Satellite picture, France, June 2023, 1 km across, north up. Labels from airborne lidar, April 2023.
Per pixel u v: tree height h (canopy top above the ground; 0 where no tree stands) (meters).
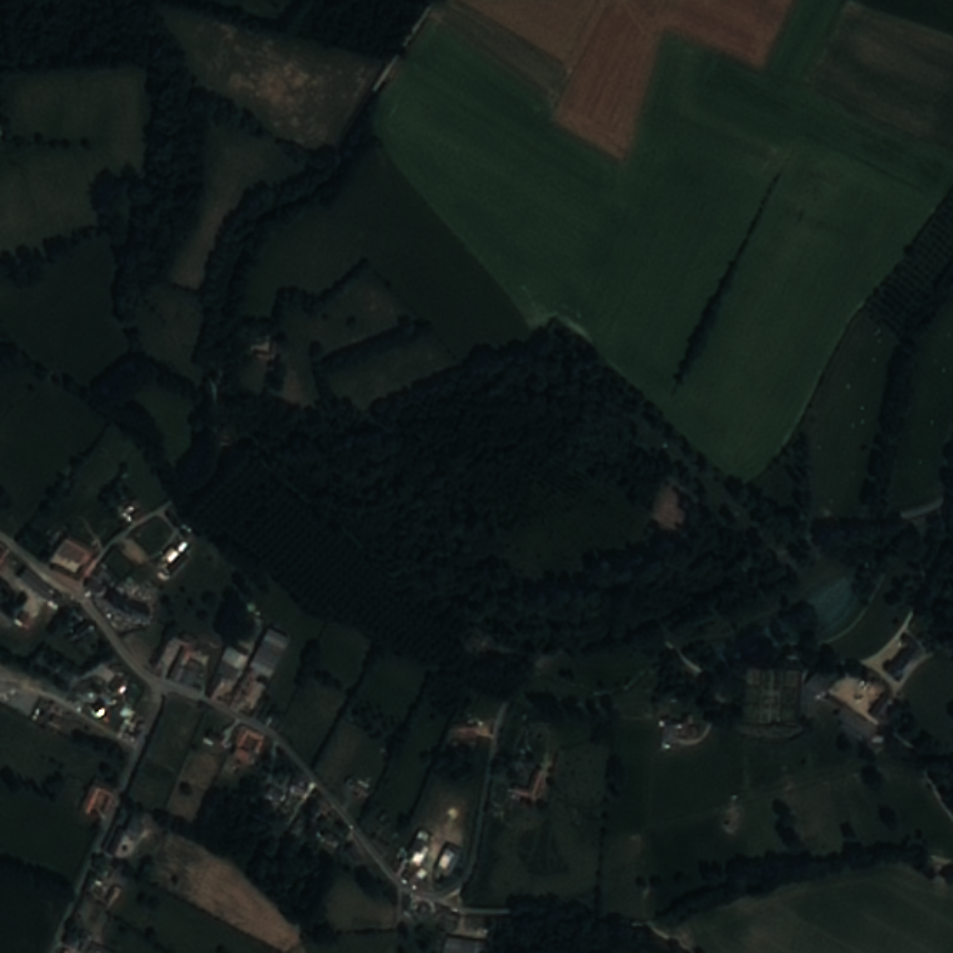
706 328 10
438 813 0
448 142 0
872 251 0
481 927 0
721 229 0
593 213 0
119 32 27
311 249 0
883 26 0
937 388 0
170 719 0
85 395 15
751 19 0
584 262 0
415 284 0
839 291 0
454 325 0
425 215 0
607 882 0
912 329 12
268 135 6
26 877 26
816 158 0
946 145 0
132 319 18
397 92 0
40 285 0
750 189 0
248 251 18
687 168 0
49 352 0
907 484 0
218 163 0
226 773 0
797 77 0
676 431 20
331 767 0
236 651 0
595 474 22
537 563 0
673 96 0
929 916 0
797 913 0
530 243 0
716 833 0
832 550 26
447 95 0
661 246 0
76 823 0
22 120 0
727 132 0
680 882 8
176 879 8
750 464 0
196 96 26
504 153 0
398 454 24
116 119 0
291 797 0
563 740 0
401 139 0
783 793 0
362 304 0
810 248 0
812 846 0
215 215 0
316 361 12
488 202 0
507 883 0
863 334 0
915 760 15
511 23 0
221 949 7
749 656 29
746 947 0
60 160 0
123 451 0
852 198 0
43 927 0
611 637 27
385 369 0
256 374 0
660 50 0
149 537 0
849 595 0
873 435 0
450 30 0
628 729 0
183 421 0
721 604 30
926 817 0
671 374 0
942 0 0
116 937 0
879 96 0
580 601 29
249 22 17
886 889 0
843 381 0
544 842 0
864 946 0
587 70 0
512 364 23
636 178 0
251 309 0
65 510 0
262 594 0
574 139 0
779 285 0
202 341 12
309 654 13
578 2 0
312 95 0
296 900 19
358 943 0
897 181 0
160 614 0
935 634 11
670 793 0
